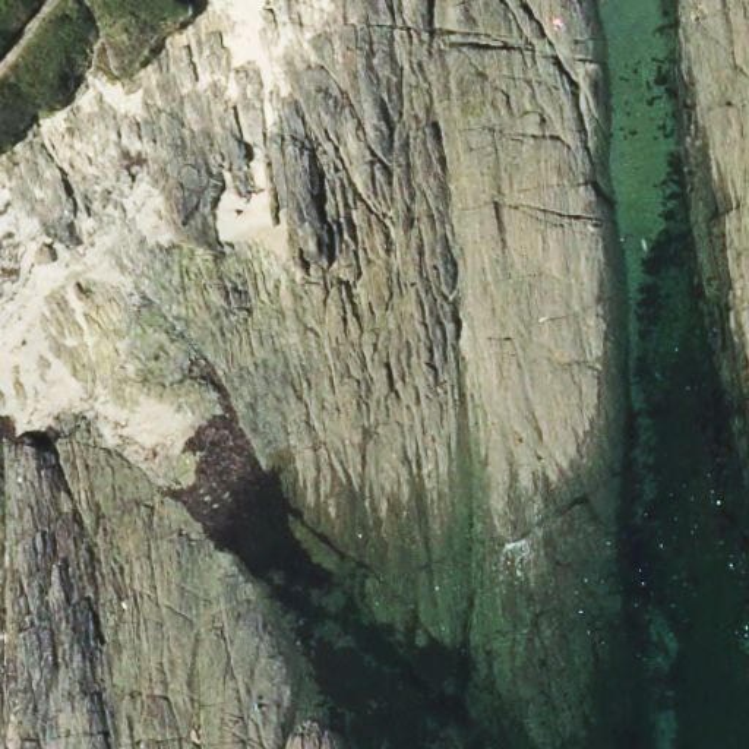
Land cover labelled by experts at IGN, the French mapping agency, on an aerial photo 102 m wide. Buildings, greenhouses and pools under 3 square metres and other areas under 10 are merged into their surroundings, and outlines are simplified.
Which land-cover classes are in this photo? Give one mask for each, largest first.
<instances>
[{"label":"bare soil","instance_id":"1","mask_svg":"<svg viewBox=\"0 0 749 749\"><path fill-rule=\"evenodd\" d=\"M181 12L173 20H167L158 32L126 35L120 18L111 26H102L91 44V64L76 99L61 111L44 117L18 146L0 155V749H342L313 720L293 726L284 720L290 705V682L281 658L269 655L272 641L263 632L266 597L243 573L231 553L217 550L208 532L217 530L225 518L222 509L231 503V489L243 480L246 471L269 468L272 453L293 451L298 492L304 494V503H322L328 515H336V492H345V483H354L357 492H363L366 512L377 509L380 515H386L389 494L410 500L407 477L424 474L430 532L442 535L451 518L474 515V553L486 562V573H494V594L506 597V582L515 579H527L532 585L538 573L547 568L541 544L544 532L538 521L544 506L541 480H559L571 471L568 465L576 453V442L585 439L591 427V418L597 413V377L603 375L606 334L603 307L597 304V278L606 257L600 231L594 228L597 202L594 193L585 187L588 161L597 152V102L591 94V76L597 67L591 59L594 44L579 0H176ZM682 76L696 85V120L708 132L714 187L729 190V328L737 357L749 363V0H679Z\"/></svg>","mask_w":749,"mask_h":749},{"label":"water","instance_id":"2","mask_svg":"<svg viewBox=\"0 0 749 749\"><path fill-rule=\"evenodd\" d=\"M594 44L591 59L597 67L591 76V94L597 102V152L588 161L585 187L594 193L597 202L594 228L600 231L606 257L597 278V304L603 307L606 334L603 375L597 377V413L591 418V427L585 439L576 442V453L568 465L571 471L559 480H541L544 506L538 521L544 532L541 544L547 568L538 573L532 585L527 579H515L506 582V597L494 594V573H486V562L474 553V515L451 518L442 535L430 532L424 474L407 477L410 500L389 494L386 515H380L377 509L366 512L363 492H357L354 483H345V492H336V515H328L322 503H304V494L298 492L293 451L272 453L269 468L246 471L243 480L231 489V503L222 509L225 518L217 530L208 532L217 550L231 553L243 573L266 597L263 632L272 641L269 655L281 658L290 682V705L284 720L293 726L313 720L342 749H749V363L737 357L729 328V190L714 187L708 132L696 120V85L682 76L679 0H579Z\"/></svg>","mask_w":749,"mask_h":749},{"label":"herbaceous vegetation","instance_id":"3","mask_svg":"<svg viewBox=\"0 0 749 749\"><path fill-rule=\"evenodd\" d=\"M44 6V0H0V59L18 44L26 23ZM181 12L176 0H64L59 12L38 29L35 41L20 56V61H15V67L0 79V155L18 146L44 117L61 111L76 99L91 64V44L102 26H111L120 18L126 35L158 32L167 20H173Z\"/></svg>","mask_w":749,"mask_h":749},{"label":"pervious surface","instance_id":"4","mask_svg":"<svg viewBox=\"0 0 749 749\"><path fill-rule=\"evenodd\" d=\"M64 0H44V6L26 23L18 44L0 59V79L15 67V61H20V56L35 41L38 29L59 12Z\"/></svg>","mask_w":749,"mask_h":749}]
</instances>
